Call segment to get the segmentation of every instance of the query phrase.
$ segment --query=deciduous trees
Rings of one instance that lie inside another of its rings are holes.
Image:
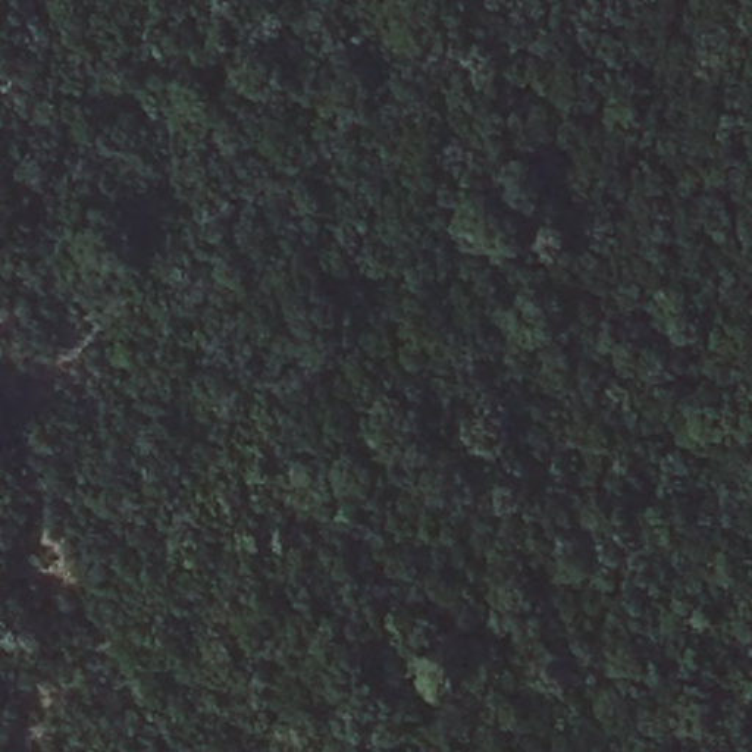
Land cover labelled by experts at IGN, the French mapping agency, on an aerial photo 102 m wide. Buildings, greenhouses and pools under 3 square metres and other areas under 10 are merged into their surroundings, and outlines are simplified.
[[[0,0],[0,752],[752,752],[752,0]]]

